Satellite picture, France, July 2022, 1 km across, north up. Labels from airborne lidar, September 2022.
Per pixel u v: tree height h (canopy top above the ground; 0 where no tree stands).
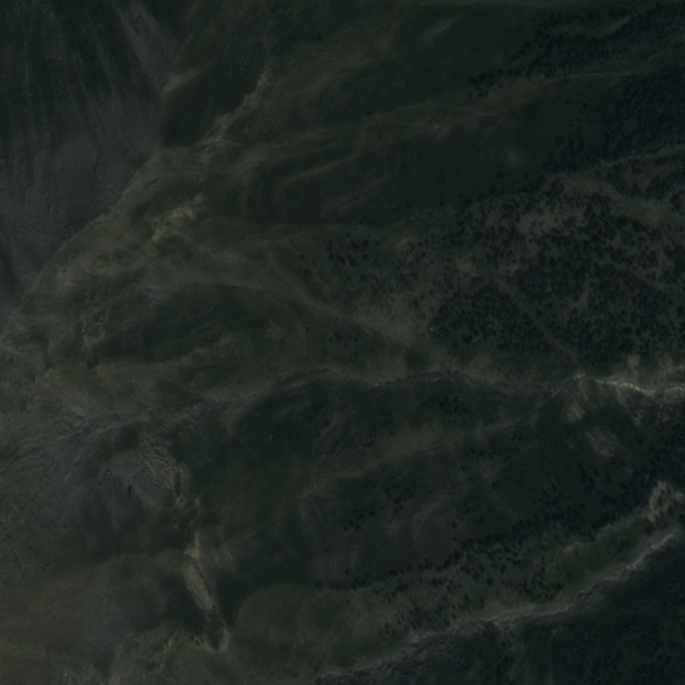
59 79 0
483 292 9
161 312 0
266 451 0
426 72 0
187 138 0
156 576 0
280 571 0
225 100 0
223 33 0
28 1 0
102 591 0
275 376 0
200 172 0
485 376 0
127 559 0
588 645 11
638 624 9
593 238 7
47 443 0
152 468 0
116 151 0
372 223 0
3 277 0
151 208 0
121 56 0
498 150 0
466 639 0
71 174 0
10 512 0
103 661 0
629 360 0
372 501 0
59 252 0
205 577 0
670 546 0
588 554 0
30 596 0
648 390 0
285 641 0
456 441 0
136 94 0
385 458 0
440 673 0
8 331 0
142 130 0
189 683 0
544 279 13
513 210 12
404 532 0
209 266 0
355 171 0
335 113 0
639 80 7
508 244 10
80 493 0
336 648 0
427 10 0
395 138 0
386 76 0
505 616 0
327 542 0
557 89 0
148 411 0
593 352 8
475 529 0
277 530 0
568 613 0
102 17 0
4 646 0
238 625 0
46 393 0
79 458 0
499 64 0
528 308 0
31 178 0
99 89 0
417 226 0
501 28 0
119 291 0
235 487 0
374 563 0
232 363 0
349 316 0
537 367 0
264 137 0
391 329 0
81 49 0
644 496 6
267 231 0
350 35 0
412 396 0
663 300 13
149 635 0
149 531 0
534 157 0
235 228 0
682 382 0
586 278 10
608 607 0
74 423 0
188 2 0
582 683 0
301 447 0
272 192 0
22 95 0
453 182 0
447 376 0
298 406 0
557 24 7
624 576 0
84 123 0
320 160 0
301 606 0
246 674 0
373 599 0
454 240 12
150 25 0
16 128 0
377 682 0
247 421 0
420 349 0
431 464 0
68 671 0
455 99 0
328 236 0
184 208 0
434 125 0
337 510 0
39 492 0
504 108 0
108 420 0
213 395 0
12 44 0
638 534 0
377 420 0
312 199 0
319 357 0
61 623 0
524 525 10
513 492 0
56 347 0
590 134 0
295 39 0
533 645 0
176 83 0
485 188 0
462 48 0
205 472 0
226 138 0
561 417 0
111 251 0
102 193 0
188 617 0
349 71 0
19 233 0
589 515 0
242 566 0
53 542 0
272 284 0
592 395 0
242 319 0
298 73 0
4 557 0
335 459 0
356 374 0
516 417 0
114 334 0
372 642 0
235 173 0
